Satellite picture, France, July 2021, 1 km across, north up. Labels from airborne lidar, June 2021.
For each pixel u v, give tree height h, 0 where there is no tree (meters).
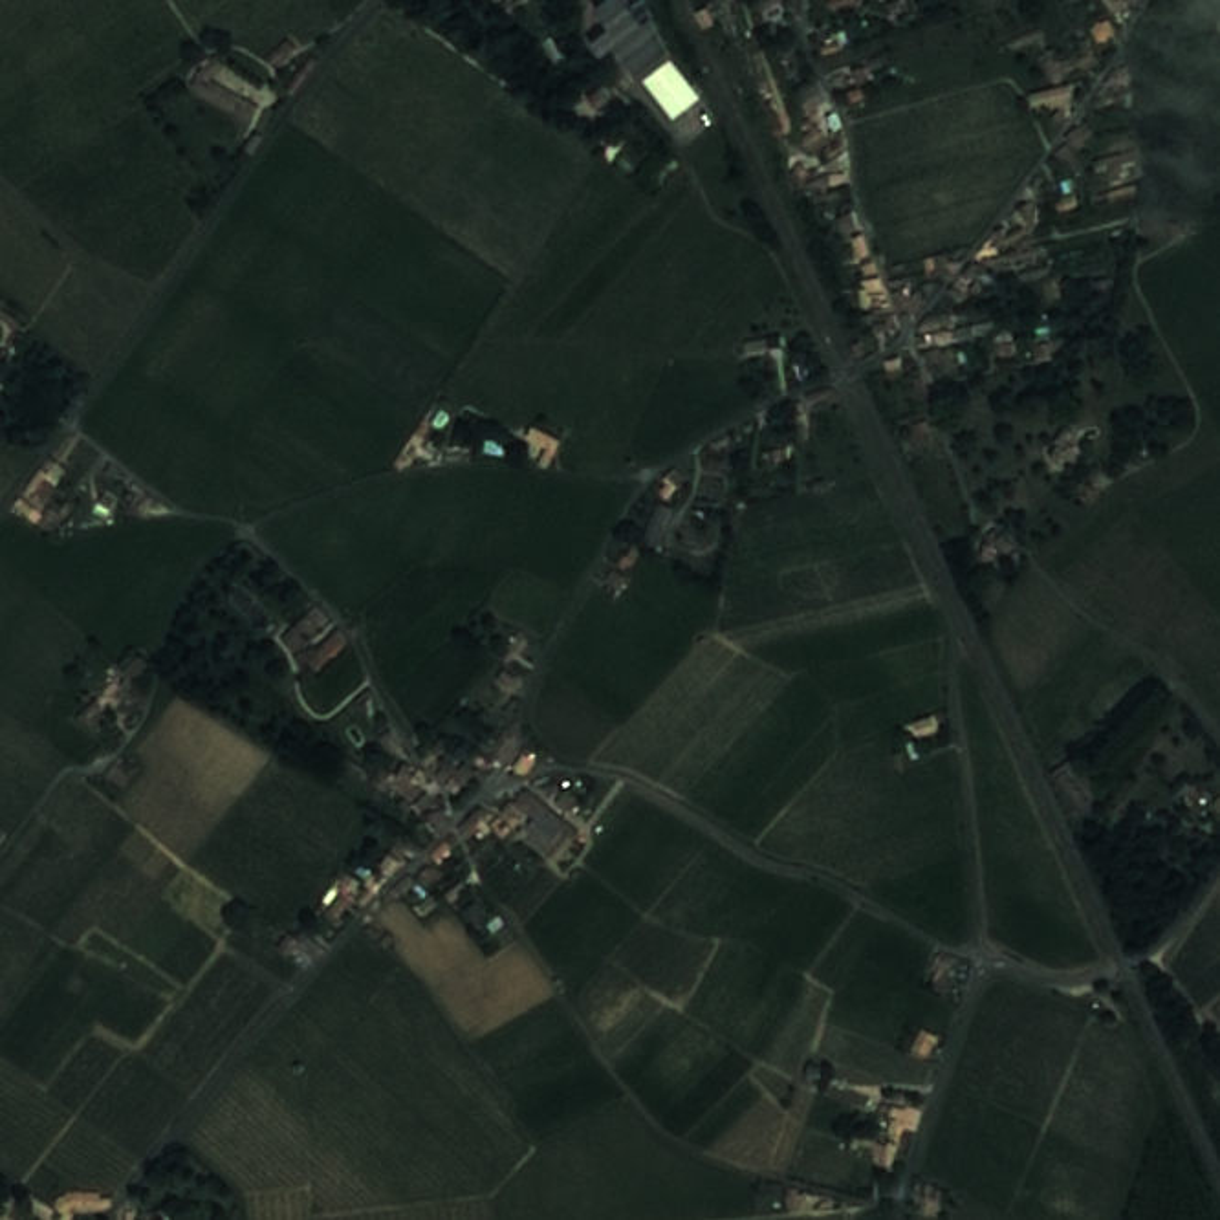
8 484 0
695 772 0
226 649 24
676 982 0
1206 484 0
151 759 0
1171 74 15
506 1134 0
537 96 14
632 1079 0
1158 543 0
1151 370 34
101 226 0
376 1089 0
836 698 0
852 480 0
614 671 0
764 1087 0
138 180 0
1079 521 0
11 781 0
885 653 0
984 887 0
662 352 0
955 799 0
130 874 0
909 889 0
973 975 0
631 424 0
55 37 0
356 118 0
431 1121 0
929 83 0
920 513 0
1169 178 15
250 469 0
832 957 0
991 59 0
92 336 0
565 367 0
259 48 0
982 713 0
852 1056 0
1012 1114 0
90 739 0
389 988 0
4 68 0
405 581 0
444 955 0
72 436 0
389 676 0
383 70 0
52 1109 0
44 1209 0
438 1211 0
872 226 0
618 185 0
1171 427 7
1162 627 0
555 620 0
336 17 0
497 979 0
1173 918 15
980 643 0
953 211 0
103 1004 0
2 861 0
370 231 0
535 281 0
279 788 0
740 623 0
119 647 0
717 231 0
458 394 0
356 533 0
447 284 0
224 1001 0
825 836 0
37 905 0
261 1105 0
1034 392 12
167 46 0
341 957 0
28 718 0
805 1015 0
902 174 0
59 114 0
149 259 0
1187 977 0
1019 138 0
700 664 0
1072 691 0
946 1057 0
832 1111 0
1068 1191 0
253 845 0
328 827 0
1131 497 0
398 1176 0
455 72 0
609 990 0
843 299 7
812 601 0
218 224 0
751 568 0
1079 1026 0
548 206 0
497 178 0
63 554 0
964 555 16
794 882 0
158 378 0
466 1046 0
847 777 0
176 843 0
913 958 0
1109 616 0
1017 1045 0
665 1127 0
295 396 0
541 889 0
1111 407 0
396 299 0
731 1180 0
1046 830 0
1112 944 0
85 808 0
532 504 0
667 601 0
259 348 0
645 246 0
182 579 0
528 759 0
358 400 0
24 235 0
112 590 0
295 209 0
